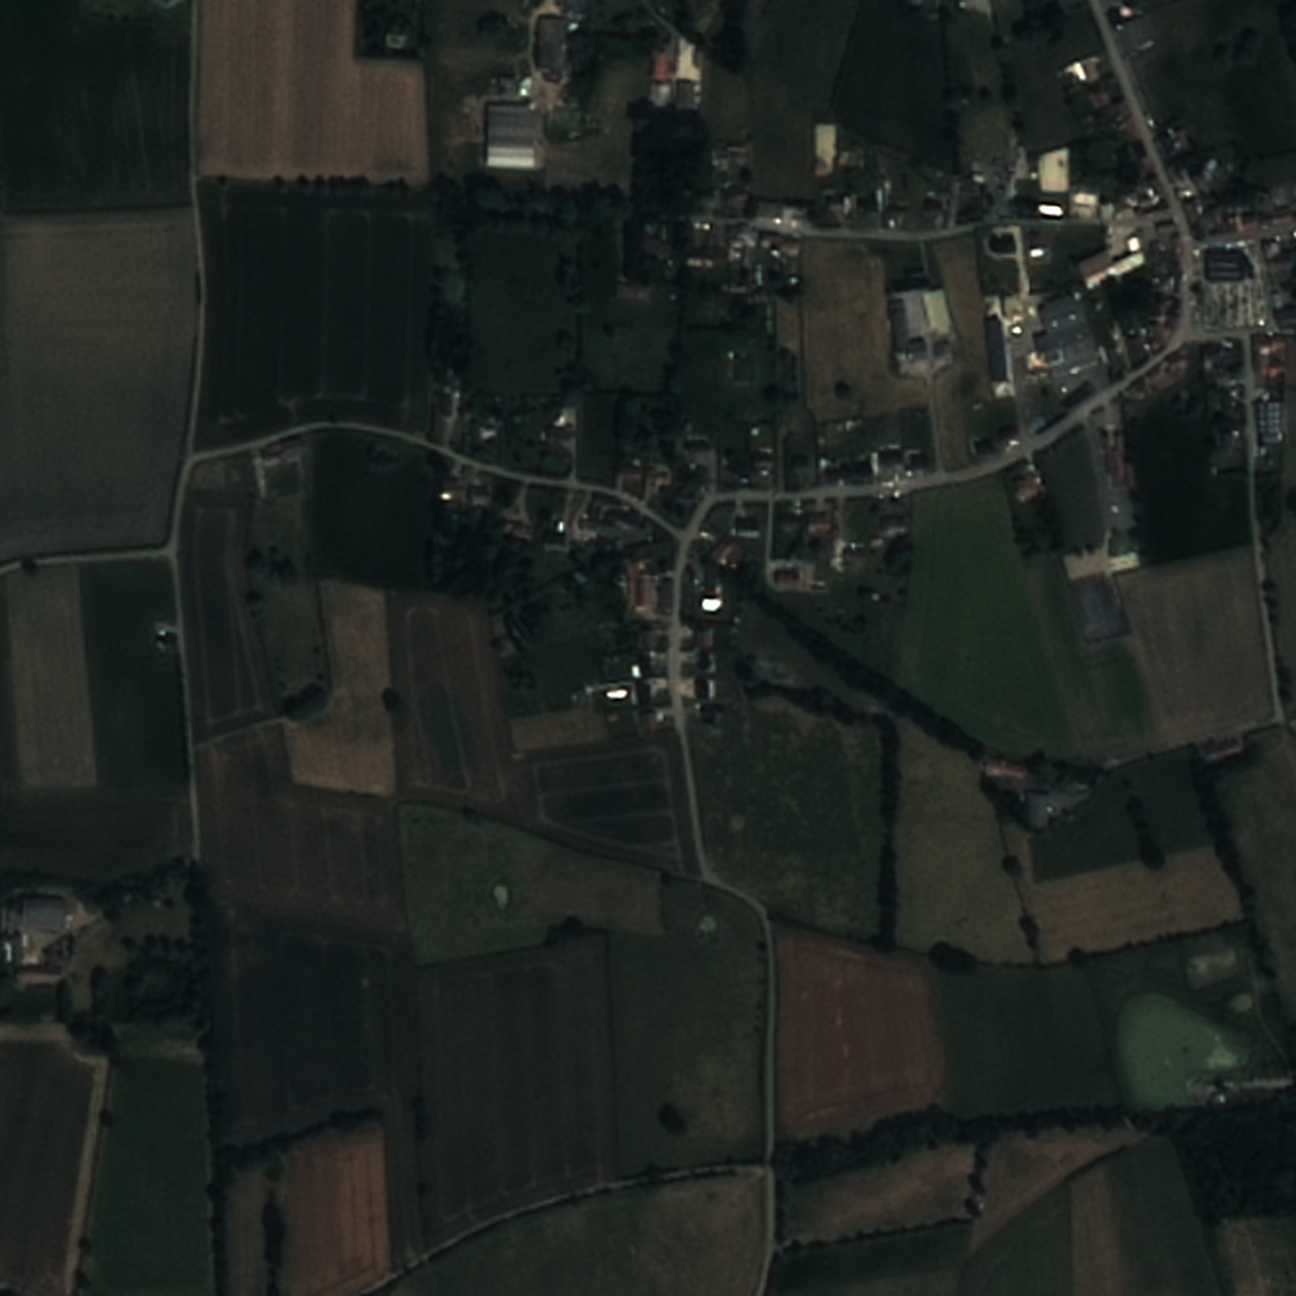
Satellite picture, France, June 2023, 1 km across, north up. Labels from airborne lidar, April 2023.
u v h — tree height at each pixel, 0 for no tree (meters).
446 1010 0
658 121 28
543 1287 0
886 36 0
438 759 0
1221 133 0
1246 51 11
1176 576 0
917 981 0
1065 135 0
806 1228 0
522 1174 0
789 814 0
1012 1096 0
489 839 0
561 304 0
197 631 0
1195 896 0
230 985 0
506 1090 0
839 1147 13
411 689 0
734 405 0
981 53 0
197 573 0
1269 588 10
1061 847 0
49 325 0
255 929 0
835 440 0
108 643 0
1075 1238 0
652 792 0
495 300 0
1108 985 0
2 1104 0
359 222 0
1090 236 0
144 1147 0
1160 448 0
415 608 0
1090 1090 0
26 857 0
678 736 0
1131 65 0
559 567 0
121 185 0
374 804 0
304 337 0
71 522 0
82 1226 0
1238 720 0
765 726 0
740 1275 0
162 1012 10
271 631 0
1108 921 0
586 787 0
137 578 0
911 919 0
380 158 0
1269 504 7
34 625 0
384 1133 0
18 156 0
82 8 0
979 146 0
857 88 0
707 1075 0
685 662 0
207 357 0
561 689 0
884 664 0
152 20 0
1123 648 0
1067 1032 0
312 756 0
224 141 0
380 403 0
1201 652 0
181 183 0
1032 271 0
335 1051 0
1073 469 0
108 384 0
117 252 0
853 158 0
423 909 0
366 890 0
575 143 0
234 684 0
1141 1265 0
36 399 0
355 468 0
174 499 0
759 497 0
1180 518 0
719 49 6
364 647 0
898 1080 0
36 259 0
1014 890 0
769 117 0
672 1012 0
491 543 17
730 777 0
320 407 0
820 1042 0
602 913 0
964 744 7
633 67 0
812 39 0
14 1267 0
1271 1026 0
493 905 0
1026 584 0
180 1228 0
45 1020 0
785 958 0
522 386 0
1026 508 0
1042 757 14
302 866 0
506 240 0
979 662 0
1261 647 0
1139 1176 0
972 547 0
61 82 0
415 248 0
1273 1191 12
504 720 0
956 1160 0
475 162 0
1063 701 0
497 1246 0
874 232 0
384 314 0
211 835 0
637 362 0
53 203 0
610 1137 0
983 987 0
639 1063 0
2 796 0
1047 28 13
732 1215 0
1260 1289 0
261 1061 0
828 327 0
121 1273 0
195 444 0
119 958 0
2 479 0
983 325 0
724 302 0
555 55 0
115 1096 0
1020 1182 0
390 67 0
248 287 0
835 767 0
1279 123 0
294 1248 0
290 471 0
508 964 0
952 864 0
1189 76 0
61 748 0
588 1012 0
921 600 0
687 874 0
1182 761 0
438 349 16
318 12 0
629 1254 0
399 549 0
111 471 0
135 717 0
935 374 0
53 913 0
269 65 0
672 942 0
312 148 0
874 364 0
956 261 0
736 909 0
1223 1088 9
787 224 0
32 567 10
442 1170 0
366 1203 0
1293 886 0
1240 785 0
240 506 0
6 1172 0
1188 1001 0
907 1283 0
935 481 0
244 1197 0
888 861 8
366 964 0
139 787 0
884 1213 0
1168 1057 0
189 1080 0
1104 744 0
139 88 0
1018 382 0
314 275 0
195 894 14
